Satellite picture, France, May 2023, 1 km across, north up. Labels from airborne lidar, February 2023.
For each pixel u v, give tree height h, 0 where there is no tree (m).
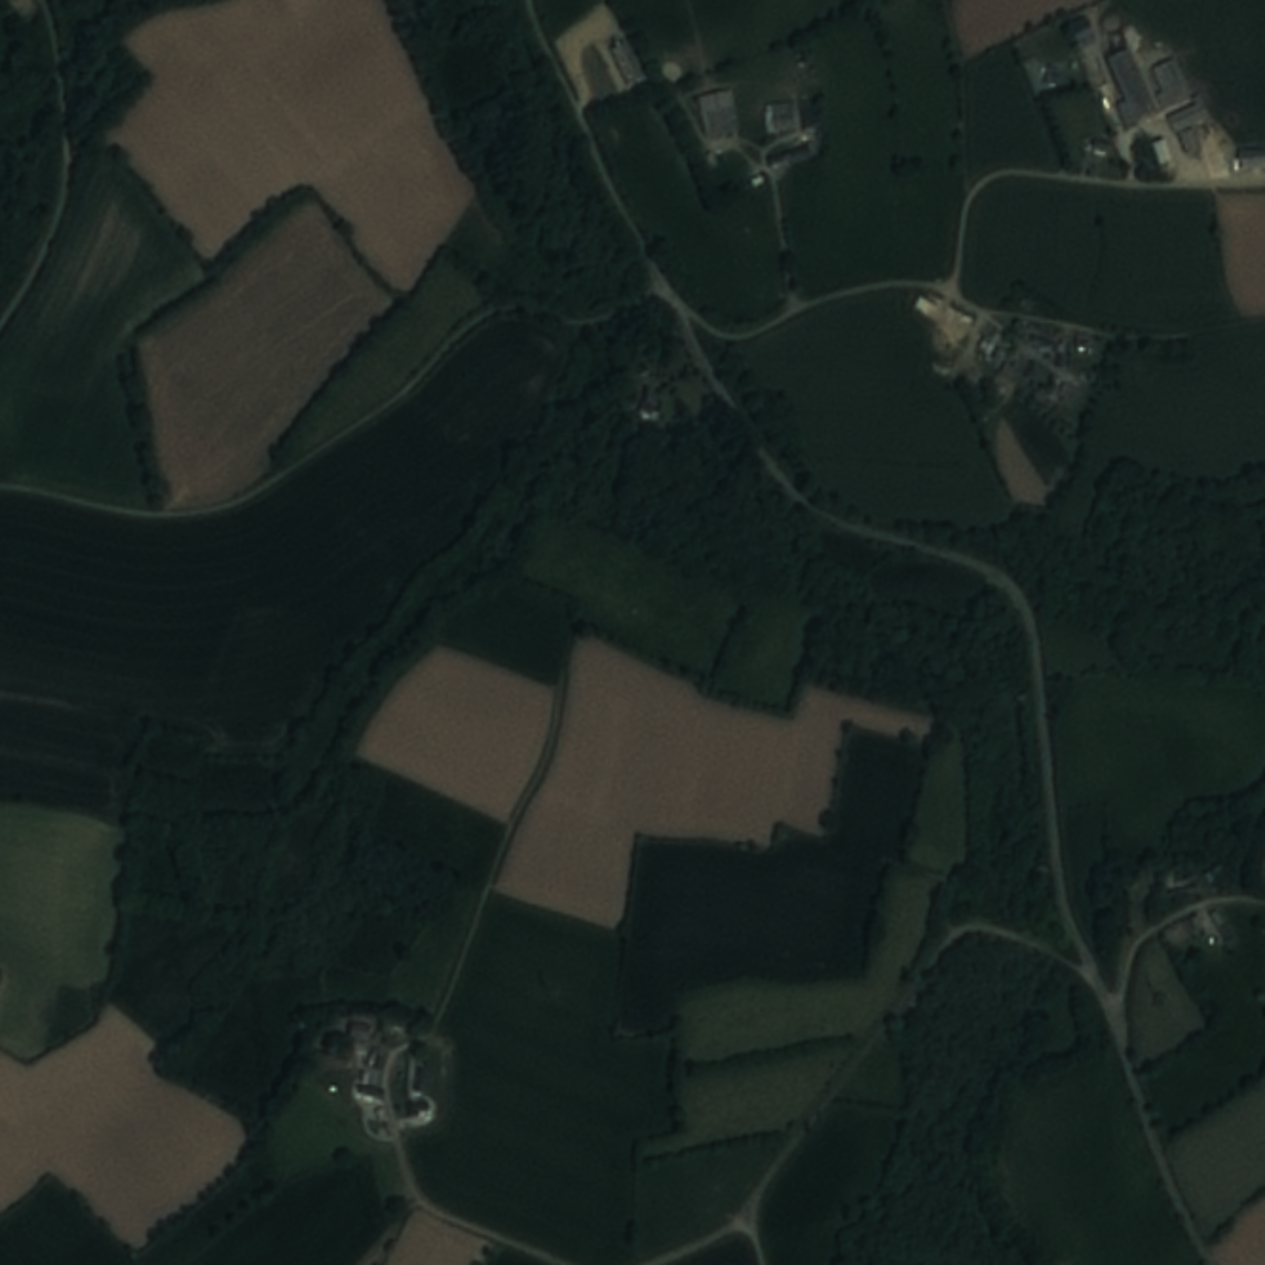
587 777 0
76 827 0
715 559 19
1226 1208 0
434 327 0
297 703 0
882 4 10
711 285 0
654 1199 0
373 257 0
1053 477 0
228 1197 0
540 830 0
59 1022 0
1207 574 15
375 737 0
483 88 0
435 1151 0
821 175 0
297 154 0
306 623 0
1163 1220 0
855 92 0
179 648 0
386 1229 0
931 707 19
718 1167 0
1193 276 0
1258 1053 0
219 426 0
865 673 10
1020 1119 0
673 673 12
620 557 0
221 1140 0
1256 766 0
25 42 15
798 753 0
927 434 0
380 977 0
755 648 0
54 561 0
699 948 0
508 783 0
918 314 0
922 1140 9
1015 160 0
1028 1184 0
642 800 0
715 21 0
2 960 0
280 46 0
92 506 0
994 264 0
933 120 0
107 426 0
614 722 0
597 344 18
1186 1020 0
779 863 0
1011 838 11
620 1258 0
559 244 8
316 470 0
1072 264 0
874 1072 0
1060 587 18
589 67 0
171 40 0
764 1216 0
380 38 0
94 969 0
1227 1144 0
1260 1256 0
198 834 10
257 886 12
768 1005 0
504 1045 0
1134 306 0
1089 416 11
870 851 0
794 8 0
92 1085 0
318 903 6
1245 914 0
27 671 0
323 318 0
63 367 0
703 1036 0
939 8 6
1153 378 0
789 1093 0
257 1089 0
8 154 14
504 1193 0
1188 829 12
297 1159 0
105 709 0
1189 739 0
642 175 0
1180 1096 0
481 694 0
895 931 0
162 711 0
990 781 8
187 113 0
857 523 14
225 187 0
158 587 0
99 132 15
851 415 0
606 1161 0
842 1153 0
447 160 0
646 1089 0
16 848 0
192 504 0
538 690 0
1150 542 14
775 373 0
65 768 0
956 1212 11
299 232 0
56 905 0
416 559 0
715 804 0
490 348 0
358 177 0
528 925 0
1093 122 0
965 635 17
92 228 0
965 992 9
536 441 13
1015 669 11
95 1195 0
